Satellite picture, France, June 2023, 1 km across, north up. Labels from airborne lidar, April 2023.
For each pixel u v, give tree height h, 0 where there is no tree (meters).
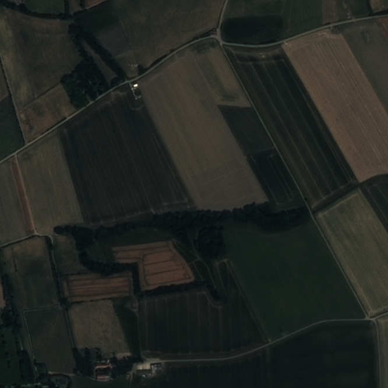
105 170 0
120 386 0
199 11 0
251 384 0
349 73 0
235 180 0
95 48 26
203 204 0
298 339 0
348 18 0
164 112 0
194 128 0
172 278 0
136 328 0
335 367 0
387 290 0
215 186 0
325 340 0
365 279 0
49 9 0
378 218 0
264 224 16
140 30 0
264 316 0
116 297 0
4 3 12
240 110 0
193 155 0
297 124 0
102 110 0
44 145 0
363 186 0
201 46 0
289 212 14
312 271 0
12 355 0
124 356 0
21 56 0
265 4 0
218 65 0
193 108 0
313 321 0
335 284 0
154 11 0
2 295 0
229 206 0
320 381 0
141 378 0
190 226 19
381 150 0
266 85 0
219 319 0
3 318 7
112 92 0
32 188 0
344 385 0
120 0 0
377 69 0
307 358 0
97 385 0
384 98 0
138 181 0
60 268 0
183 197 0
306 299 0
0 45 0
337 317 0
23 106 0
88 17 0
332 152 0
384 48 0
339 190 0
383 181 0
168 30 0
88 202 0
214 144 0
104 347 0
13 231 0
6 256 0
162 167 0
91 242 19
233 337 0
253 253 0
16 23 0
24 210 0
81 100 15
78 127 0
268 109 0
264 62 0
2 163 0
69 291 0
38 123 0
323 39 0
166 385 0
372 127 0
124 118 0
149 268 0
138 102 0
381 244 0
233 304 0
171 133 0
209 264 0
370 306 0
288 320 0
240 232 0
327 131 0
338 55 0
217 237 19
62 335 0
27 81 0
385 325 0
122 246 0
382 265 0
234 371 0
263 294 0
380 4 0
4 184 0
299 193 0
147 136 0
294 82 0
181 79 0
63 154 0
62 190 0
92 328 0
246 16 0
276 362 0
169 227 17
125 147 0
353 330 0
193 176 0
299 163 0
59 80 0
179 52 0
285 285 0
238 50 0
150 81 0
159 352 0
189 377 0
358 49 0
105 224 0
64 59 0
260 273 0
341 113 0
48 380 16
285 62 0
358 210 0
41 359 0
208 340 0
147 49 0
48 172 0
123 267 10
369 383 0
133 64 0
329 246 0
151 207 0
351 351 0
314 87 0
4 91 0
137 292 15
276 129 0
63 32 0
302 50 0
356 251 0
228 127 0
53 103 0
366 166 0
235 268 0
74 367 0
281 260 0
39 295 0
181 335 0
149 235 0
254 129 0
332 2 0
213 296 10
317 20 0
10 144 0
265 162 0
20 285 0
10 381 0
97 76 22
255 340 0
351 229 0
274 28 0
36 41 0
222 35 0
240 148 0
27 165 0
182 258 0
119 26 0
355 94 0
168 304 0
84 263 18
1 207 0
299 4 0
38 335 0
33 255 0
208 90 0
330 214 0
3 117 0
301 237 0
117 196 0
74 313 0
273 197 0
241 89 0
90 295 0
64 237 0
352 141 0
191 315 0
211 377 0
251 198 0
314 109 0
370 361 0
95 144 0
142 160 0
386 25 0
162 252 0
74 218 0
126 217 0
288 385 0
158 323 0
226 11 0
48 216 0
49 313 0
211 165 0
